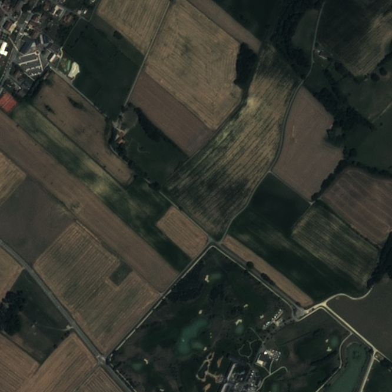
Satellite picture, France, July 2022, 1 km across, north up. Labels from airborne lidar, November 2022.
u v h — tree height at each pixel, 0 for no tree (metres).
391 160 0
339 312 0
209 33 0
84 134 0
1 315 22
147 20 0
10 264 0
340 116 22
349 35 0
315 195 11
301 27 0
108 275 0
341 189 0
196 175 0
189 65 0
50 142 0
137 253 0
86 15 0
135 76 0
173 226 0
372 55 0
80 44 0
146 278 0
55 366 0
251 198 0
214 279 0
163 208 0
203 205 0
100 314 0
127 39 0
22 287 0
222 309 0
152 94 0
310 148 0
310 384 0
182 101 0
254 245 0
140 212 0
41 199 0
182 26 0
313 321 0
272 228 0
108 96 0
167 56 0
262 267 0
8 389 0
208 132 0
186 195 0
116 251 0
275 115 0
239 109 0
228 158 0
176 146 7
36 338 0
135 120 0
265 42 0
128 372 0
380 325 0
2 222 0
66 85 0
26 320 0
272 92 0
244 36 0
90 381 0
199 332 0
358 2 0
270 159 0
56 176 0
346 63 0
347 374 0
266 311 0
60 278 0
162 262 0
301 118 0
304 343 0
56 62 0
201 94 0
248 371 6
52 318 0
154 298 0
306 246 0
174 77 0
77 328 0
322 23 0
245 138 0
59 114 0
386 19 0
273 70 0
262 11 0
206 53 0
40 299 0
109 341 0
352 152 13
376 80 16
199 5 0
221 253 0
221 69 0
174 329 0
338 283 0
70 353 0
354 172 0
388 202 0
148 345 0
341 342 0
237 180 0
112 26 0
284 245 0
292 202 0
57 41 0
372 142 0
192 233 0
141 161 0
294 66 12
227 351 0
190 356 0
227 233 0
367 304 0
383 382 0
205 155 0
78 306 0
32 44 0
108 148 0
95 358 0
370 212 0
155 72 0
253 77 0
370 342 0
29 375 0
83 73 0
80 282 0
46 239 0
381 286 0
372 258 0
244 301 0
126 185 0
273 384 0
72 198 0
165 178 0
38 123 0
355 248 0
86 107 0
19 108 0
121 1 0
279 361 0
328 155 0
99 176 0
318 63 0
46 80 9
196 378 0
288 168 0
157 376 0
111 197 0
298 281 0
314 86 0
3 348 0
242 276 0
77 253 0
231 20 0
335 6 0
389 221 0
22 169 0
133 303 0
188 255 0
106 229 0
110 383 0
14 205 0
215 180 0
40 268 0
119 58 0
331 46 0
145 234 0
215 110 0
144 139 0
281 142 0
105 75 0
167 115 0
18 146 0
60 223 0
